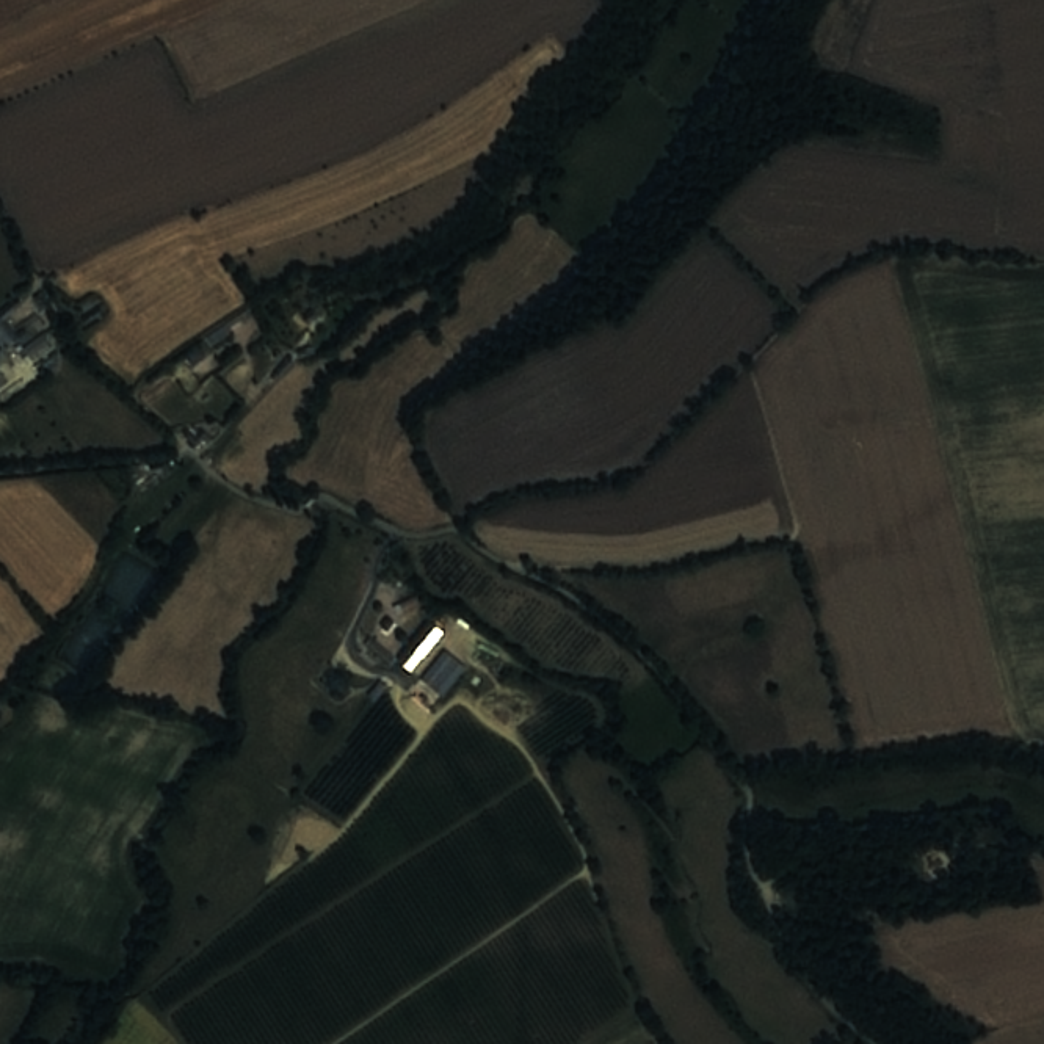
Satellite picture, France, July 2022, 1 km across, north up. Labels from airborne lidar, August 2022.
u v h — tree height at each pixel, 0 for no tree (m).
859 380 0
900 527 0
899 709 0
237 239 0
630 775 8
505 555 0
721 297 0
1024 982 0
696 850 0
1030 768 13
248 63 0
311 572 9
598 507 0
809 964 17
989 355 0
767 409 0
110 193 0
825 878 23
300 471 0
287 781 0
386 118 0
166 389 0
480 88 0
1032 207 0
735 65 21
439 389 19
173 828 0
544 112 17
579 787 0
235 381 0
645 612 0
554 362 0
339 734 0
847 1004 10
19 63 0
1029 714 0
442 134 0
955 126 0
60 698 18
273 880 0
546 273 0
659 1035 6
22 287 8
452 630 0
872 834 12
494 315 0
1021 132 0
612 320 17
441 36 0
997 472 0
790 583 0
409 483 0
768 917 19
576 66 13
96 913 0
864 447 0
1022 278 0
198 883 0
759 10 21
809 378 0
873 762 12
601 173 0
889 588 0
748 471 0
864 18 0
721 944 0
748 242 0
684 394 0
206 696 0
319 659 0
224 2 0
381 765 6
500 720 0
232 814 0
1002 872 15
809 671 0
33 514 0
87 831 0
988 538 0
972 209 0
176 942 0
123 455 15
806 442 0
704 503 0
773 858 15
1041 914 0
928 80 0
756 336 0
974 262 11
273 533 0
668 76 0
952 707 0
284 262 0
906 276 0
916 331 0
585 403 0
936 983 0
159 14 0
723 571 0
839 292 0
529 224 0
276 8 0
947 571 0
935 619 0
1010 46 0
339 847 6
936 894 21
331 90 0
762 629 15
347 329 23
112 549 16
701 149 24
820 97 16
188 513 0
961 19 0
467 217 14
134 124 0
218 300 0
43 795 0
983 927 0
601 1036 0
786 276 0
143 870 15
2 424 0
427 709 0
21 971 15
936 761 15
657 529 0
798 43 22
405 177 0
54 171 0
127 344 0
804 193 0
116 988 15
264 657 0
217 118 0
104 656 25
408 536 0
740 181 11
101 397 0
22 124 0
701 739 6
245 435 0
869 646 0
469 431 0
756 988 0
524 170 19
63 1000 9
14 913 0
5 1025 0
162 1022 0
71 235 0
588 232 0
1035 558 0
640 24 14
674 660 0
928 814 17
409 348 0
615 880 0
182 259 0
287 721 0
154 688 0
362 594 0
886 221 0
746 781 12
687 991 0
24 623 0
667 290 0
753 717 0
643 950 0
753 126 19
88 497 0
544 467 0
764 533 0
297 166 0
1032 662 0
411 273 24
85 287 0
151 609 23
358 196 0
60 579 0
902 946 0
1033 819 0
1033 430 0
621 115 0
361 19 0
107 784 0
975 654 0
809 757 20
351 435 0
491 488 0
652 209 24
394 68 0
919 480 0
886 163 0
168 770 0
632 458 0
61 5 0
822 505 0
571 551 0
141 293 0
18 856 0
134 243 0
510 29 0
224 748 15
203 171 0
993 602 0
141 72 0
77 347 14
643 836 0
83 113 0
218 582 0
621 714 14
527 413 0
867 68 0
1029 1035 0
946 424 0
